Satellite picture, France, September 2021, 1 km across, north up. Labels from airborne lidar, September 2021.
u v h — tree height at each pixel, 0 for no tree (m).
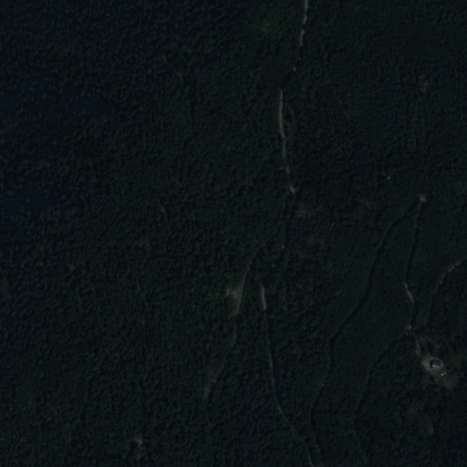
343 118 9
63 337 26
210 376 6
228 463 21
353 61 26
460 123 21
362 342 21
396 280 19
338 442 27
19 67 11
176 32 28
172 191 30
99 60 21
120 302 27
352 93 22
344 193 9
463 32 25
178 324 17
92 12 25
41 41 20
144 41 27
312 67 33
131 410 29
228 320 7
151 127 18
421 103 13
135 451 21
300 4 23
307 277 28
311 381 22
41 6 30
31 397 8
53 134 16
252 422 15
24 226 14
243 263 15
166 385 22
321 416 27
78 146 13
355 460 30
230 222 8
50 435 24
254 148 32
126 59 22
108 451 23
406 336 0
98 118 23
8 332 25
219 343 7
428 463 28
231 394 27
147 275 19
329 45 28
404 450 29
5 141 15
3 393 19
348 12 22
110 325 24
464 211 12
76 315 30
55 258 16
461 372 7
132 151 20
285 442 24
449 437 7
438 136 17
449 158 19
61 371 19
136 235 18
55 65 31
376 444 33
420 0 26
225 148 9
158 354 23
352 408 21
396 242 26
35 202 18
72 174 18
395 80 30
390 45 25
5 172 20
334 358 19
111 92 28
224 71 15
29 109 16
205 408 13
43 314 25
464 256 17
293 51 25
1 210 14
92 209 25
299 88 27
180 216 14
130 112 26
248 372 6
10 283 11
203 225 10
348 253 21
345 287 20
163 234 35
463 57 24
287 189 20
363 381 25
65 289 21
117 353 26
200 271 9
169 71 14
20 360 25
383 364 26
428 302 23
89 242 23
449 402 32
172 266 27
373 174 32
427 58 30
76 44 23
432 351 26
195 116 30
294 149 10
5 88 26
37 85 17
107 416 24
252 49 22
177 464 31
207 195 27
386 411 27
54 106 15
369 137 27
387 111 22
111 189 19
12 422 23
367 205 21
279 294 35
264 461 11
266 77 10
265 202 26
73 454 8
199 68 18
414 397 20
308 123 8
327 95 8
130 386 9
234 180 31
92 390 31
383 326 20
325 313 29
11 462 25
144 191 26
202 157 15
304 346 30
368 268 17
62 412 27
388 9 24
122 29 28
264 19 14
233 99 20
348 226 28
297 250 31
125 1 30
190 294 9
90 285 14
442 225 20
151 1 17
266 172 26
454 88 27
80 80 11
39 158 11
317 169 17
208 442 23
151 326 26
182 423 11
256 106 27
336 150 24
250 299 7
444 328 30
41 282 26
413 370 28
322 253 22
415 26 32
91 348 25
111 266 28
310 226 24
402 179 19
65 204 26
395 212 22
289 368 31
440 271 20
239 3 27
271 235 17
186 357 20
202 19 22
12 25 23
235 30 18
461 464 26
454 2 23
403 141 10
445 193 12
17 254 13
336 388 14
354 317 21
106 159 8
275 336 28
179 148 26
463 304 29
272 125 9
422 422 0
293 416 20
